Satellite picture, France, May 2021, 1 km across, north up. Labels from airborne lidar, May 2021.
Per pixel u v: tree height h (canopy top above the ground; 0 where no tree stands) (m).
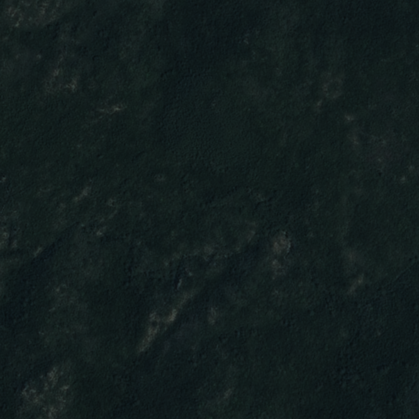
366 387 7
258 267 5
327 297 12
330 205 6
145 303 8
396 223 8
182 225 10
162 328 9
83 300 6
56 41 12
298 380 9
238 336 12
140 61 6
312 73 6
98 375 6
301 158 7
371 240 9
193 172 9
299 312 8
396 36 6
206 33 8
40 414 7
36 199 6
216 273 8
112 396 14
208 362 9
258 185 9
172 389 6
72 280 8
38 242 8
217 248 8
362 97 8
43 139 11
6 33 6
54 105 8
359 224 11
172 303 6
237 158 12
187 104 6
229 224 7
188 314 8
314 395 7
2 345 8
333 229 7
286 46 7
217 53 9
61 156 6
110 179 7
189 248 9
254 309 6
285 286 7
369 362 7
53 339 7
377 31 8
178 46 7
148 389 8
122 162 7
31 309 6
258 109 8
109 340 8
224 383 6
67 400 5
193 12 8
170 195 7
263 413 7
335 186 5
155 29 10
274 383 6
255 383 6
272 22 7
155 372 5
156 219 8
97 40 6
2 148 7
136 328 13
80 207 8
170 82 10
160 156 7
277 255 8
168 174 8
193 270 6
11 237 6
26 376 8
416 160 6
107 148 5
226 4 7
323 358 9
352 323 11
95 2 6
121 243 8
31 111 10
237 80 7
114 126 5
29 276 10
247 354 10
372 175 8
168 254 8
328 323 7
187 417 6
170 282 12
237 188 19
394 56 6
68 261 8
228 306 8
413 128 11
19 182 9
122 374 6
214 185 9
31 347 7
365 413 6
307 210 10
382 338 6
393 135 6
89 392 13
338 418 12
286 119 7
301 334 6
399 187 8
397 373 8
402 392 7
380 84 7
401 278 9
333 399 8
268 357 7
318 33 10
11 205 9
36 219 6
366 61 7
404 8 7
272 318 7
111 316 9
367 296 10
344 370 22
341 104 5
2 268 6
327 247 7
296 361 7
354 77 6
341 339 6
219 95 8
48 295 6
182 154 9
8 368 8
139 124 7
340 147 17
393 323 6
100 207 7
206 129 14
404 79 7
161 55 6
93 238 6
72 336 6
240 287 8
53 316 6
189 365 6
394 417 12
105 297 10
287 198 9
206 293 12
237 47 7
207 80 11
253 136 11
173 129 14
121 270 8
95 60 15
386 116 8
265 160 8
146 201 7
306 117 6
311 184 8
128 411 11
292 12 8
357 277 7
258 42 6
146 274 18
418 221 8
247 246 11
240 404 6
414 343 7
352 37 10
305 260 9
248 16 7
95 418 12
